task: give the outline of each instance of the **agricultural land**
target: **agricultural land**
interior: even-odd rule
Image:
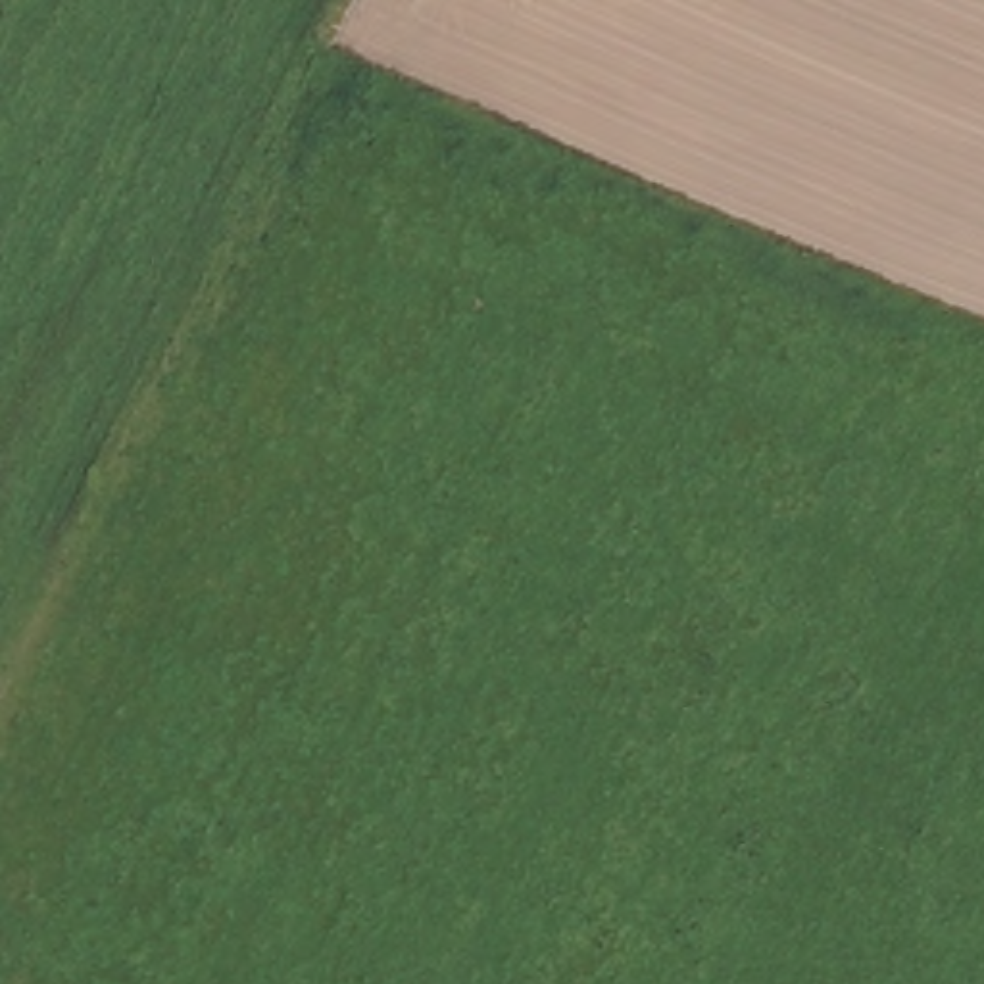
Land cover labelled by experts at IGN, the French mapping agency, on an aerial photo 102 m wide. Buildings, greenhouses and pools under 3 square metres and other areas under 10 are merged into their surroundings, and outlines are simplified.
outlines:
[[[984,984],[984,0],[0,0],[0,984]]]

